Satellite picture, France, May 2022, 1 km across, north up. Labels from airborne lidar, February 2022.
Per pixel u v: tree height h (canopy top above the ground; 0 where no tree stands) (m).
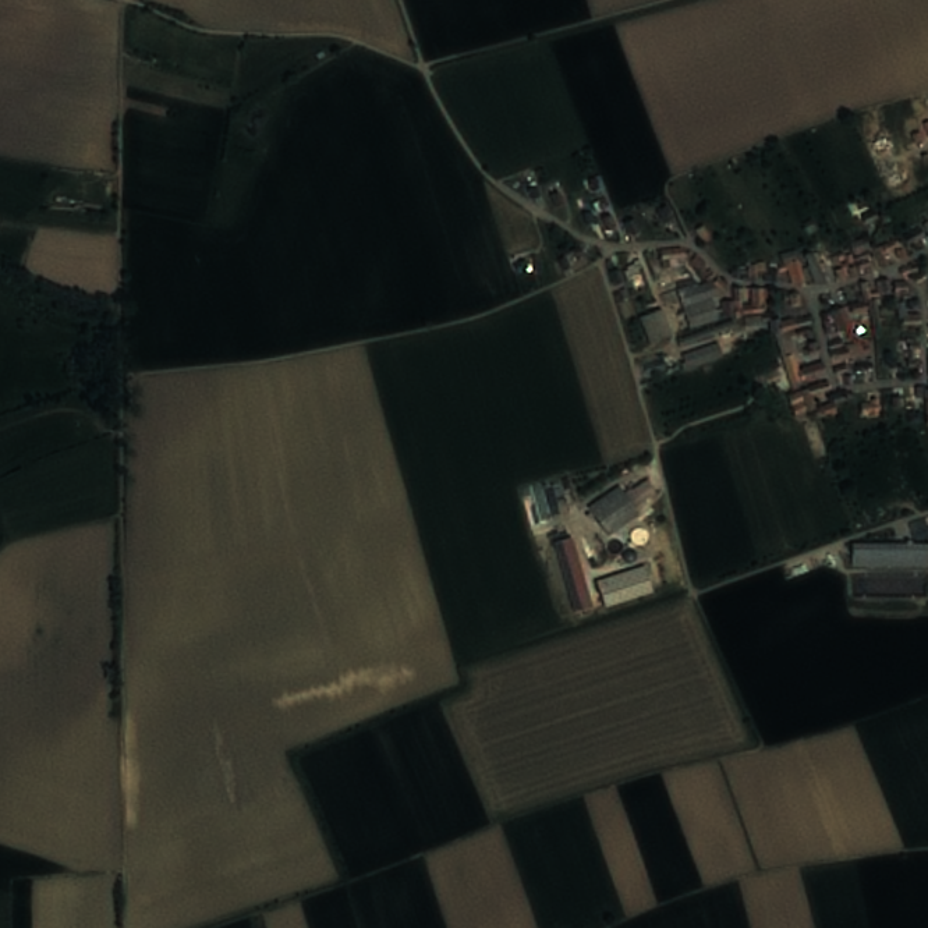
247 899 0
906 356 0
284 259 0
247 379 0
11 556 0
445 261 0
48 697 0
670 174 0
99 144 0
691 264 0
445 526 0
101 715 0
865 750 0
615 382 0
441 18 0
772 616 0
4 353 0
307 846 0
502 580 0
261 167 0
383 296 0
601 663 0
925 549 0
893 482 0
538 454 0
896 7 0
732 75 0
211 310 0
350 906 0
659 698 0
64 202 0
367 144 0
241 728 0
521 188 0
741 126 0
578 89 0
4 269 12
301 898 0
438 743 0
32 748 0
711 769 0
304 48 0
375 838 0
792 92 0
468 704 0
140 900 0
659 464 0
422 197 0
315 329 0
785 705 0
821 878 0
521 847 0
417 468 0
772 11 0
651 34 0
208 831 0
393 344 0
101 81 0
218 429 0
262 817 0
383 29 0
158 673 0
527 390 0
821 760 0
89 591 0
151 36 0
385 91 0
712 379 0
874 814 0
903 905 0
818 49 0
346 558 0
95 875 0
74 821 0
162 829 0
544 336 0
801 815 0
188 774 0
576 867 0
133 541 0
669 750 0
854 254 0
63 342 0
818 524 0
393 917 0
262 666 0
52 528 0
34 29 0
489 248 0
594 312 0
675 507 0
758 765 0
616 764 0
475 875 0
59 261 0
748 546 0
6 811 0
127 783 0
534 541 0
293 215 0
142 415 0
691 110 0
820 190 0
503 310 0
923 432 0
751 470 0
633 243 0
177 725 0
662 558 0
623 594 0
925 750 0
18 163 0
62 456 0
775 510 0
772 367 0
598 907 0
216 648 0
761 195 0
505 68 0
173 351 0
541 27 0
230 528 0
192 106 0
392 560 0
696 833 0
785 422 0
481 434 0
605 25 0
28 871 0
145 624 0
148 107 0
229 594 0
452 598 0
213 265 0
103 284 0
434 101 0
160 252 0
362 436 0
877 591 0
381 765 0
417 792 0
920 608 0
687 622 0
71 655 0
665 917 0
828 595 0
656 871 0
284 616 0
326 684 0
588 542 0
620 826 0
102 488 0
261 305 0
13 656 0
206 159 0
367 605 0
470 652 0
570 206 0
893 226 6
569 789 0
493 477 0
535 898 0
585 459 0
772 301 13
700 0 0
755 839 0
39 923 0
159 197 0
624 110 0
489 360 0
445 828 0
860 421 0
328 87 0
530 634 0
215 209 0
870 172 0
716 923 0
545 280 0
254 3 0
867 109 0
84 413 0
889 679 0
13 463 0
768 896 0
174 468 0
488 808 0
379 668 0
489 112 0
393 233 0
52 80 0
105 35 0
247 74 0
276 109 0
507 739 0
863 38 0
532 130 0
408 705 0
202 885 0
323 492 0
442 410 0
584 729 0
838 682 0
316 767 0
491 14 0
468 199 0
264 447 0
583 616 0
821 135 0
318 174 0
